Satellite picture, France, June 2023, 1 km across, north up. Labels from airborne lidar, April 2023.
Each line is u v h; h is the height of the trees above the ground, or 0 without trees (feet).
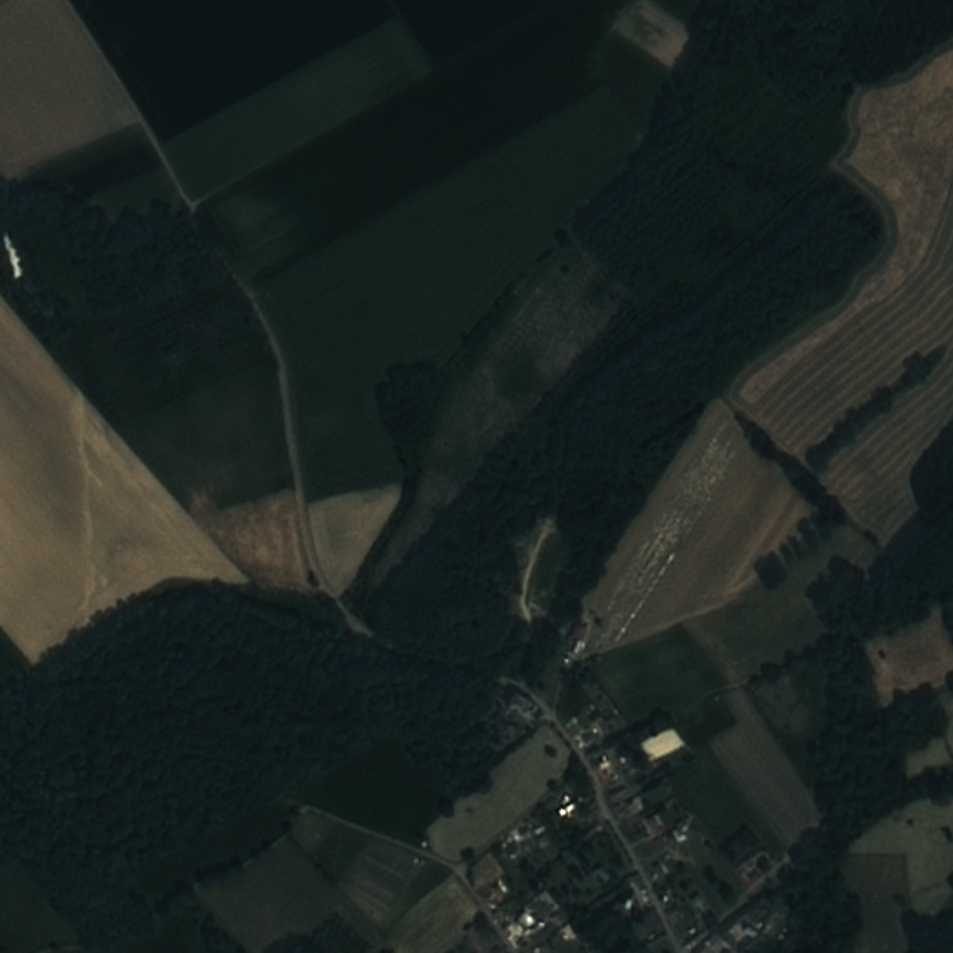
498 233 0
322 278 0
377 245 0
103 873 81
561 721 0
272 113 0
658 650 0
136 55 0
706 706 0
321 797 0
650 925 0
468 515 65
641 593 0
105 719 97
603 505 33
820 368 0
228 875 44
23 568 0
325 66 0
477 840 0
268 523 0
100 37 0
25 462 0
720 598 0
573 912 19
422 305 0
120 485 0
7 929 0
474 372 0
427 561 66
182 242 83
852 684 65
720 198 99
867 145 0
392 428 63
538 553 0
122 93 0
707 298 51
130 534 0
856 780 66
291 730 78
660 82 0
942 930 106
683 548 0
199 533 0
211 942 63
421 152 0
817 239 83
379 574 0
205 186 0
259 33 0
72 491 0
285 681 112
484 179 0
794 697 0
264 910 0
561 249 0
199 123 0
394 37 0
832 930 62
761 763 0
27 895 0
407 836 0
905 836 0
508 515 53
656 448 20
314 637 75
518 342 0
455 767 77
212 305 0
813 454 46
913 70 0
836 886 73
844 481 0
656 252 99
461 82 0
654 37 0
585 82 0
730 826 0
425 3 0
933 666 0
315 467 0
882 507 0
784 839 0
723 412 0
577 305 0
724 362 77
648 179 95
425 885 0
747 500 0
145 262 72
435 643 57
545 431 0
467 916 0
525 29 0
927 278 0
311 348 0
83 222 64
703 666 0
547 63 0
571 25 0
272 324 0
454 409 0
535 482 29
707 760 0
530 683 38
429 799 0
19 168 0
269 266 0
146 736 94
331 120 0
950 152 0
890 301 0
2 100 0
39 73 0
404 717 61
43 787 102
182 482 0
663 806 21
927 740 0
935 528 91
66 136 0
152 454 0
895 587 93
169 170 0
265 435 0
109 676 96
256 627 97
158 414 0
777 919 0
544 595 0
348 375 0
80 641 71
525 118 0
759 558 0
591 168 0
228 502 0
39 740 104
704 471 0
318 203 0
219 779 61
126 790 69
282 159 0
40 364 0
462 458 0
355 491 0
